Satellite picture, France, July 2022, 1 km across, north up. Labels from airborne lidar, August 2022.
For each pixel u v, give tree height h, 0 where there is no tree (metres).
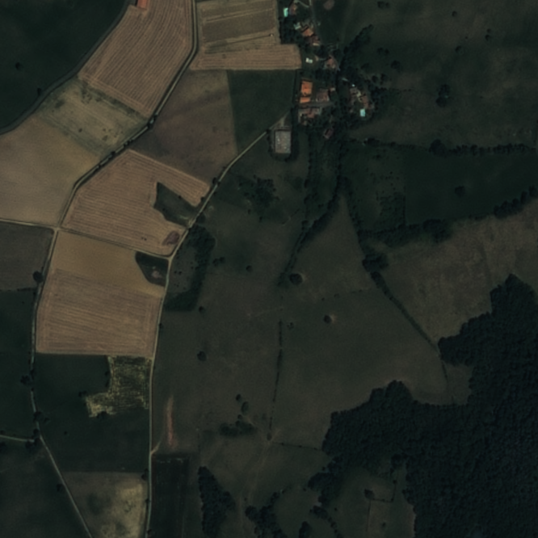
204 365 0
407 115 0
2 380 0
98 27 0
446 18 0
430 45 0
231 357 0
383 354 0
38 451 11
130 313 0
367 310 0
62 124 0
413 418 21
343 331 0
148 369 0
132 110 0
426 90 0
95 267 0
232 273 0
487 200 0
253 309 0
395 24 0
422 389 0
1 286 0
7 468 0
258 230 0
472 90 0
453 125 0
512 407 28
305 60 0
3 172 0
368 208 0
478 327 13
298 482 0
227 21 0
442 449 24
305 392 0
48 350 0
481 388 17
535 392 17
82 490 0
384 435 30
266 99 0
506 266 0
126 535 0
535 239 0
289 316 0
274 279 0
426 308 0
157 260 0
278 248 0
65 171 0
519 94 0
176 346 0
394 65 15
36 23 0
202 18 0
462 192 18
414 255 0
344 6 0
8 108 0
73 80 0
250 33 0
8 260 0
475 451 21
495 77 0
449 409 12
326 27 0
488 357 19
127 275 0
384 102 11
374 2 0
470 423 19
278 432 0
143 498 0
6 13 0
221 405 0
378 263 14
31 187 0
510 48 0
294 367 0
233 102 0
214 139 0
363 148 0
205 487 19
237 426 8
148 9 0
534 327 23
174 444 0
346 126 10
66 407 0
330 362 0
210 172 0
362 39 15
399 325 0
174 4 0
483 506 14
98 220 0
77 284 0
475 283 0
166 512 0
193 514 0
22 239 0
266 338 0
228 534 0
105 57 0
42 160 0
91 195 0
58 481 0
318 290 0
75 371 0
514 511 17
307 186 15
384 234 21
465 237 0
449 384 0
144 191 0
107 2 0
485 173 0
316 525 0
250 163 0
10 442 0
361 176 0
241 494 0
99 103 0
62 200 0
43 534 0
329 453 18
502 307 22
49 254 0
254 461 0
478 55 0
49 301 0
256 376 0
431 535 20
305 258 0
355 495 0
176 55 0
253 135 0
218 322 0
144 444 0
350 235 0
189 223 0
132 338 0
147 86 0
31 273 0
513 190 0
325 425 0
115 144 0
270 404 0
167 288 0
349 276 0
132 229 0
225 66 0
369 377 0
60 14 0
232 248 0
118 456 0
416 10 0
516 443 26
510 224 0
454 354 14
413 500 12
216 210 0
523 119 0
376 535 0
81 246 0
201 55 0
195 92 0
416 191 0
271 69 0
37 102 0
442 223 15
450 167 0
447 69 0
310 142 10
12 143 0
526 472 20
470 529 8
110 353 0
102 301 0
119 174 0
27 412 0
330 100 8
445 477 11
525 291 25
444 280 0
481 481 16
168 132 0
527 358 32
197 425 0
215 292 0
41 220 0
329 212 14
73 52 0
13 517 0
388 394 17
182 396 0
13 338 0
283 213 0
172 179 0
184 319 0
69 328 0
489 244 0
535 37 0
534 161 0
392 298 9
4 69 0
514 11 0
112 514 0
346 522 0
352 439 21
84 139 0
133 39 0
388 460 0
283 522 0
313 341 0
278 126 0
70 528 0
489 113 0
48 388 0
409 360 0
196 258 6
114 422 0
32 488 0
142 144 0
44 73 0
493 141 0
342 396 0
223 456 0
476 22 0
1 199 0
